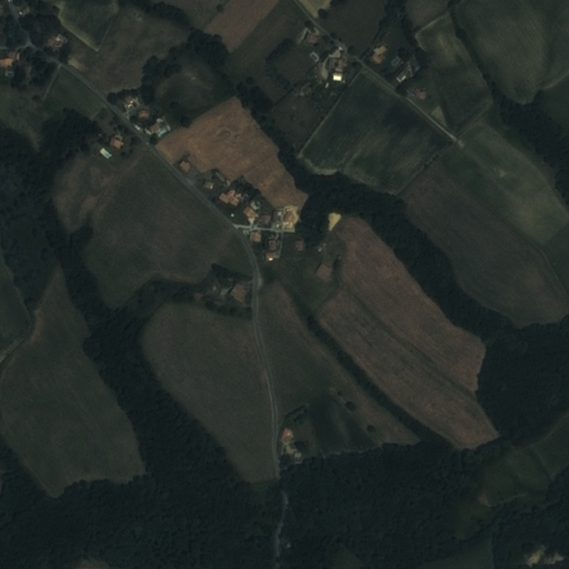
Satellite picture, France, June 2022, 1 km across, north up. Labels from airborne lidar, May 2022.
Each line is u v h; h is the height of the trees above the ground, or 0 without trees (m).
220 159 0
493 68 0
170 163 0
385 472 21
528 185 0
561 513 24
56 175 0
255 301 0
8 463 15
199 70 0
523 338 22
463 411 0
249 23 0
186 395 0
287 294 0
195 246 0
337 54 0
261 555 27
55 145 9
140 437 11
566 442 0
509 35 0
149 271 0
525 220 0
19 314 0
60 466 0
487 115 0
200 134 0
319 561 20
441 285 25
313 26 16
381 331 0
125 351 21
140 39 0
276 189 0
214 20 0
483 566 0
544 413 20
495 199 0
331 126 0
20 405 0
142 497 17
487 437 0
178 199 0
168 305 0
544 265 0
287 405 0
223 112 0
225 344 0
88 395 0
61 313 0
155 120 6
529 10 0
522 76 0
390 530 17
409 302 0
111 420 0
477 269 0
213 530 18
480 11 0
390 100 0
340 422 0
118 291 0
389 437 0
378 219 22
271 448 0
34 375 0
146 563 25
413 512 23
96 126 16
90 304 20
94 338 12
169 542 11
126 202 0
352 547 24
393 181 0
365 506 25
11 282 0
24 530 21
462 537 0
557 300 0
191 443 11
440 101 0
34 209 25
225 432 0
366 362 0
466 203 0
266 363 0
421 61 13
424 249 23
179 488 20
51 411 0
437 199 0
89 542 23
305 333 0
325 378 0
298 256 0
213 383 0
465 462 16
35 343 0
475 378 0
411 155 0
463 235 0
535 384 20
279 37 0
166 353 0
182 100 0
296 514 20
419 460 21
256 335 0
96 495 24
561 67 0
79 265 15
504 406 19
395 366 0
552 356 23
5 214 23
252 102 18
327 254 0
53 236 18
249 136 0
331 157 0
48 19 17
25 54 11
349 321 0
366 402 0
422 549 26
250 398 0
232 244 0
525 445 0
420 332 0
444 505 18
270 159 0
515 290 0
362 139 0
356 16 0
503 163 0
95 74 0
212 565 21
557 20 0
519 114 19
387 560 27
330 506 25
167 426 16
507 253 0
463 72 0
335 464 23
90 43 0
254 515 19
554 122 18
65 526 25
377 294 0
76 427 0
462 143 0
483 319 23
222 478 12
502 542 22
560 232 0
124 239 0
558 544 20
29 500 17
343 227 0
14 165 18
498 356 20
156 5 14
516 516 19
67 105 0
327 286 0
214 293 0
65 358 0
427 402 0
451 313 22
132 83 0
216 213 0
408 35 13
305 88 0
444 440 17
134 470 0
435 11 0
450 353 0
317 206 18
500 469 0
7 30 17
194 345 0
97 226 0
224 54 16
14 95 0
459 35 14
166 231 0
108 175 0
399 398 0
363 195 23
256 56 0
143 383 21
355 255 0
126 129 17
